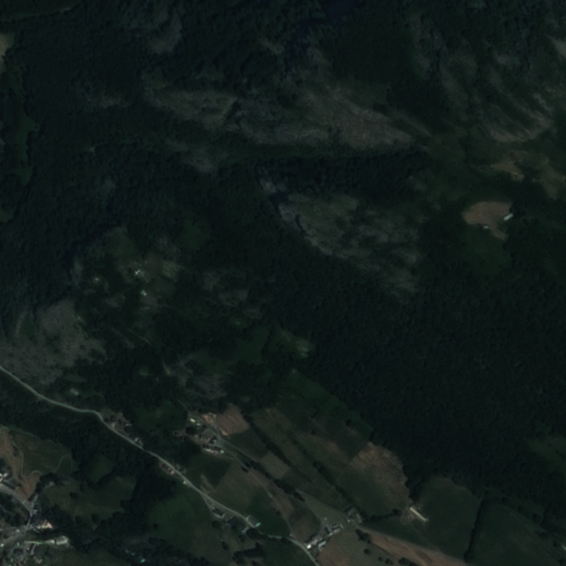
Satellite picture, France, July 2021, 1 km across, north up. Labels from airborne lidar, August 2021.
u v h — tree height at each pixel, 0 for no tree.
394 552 0
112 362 12
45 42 21
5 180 13
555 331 21
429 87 16
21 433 0
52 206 24
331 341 25
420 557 0
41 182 29
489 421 23
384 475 0
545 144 0
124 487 0
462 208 8
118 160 15
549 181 0
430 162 12
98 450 20
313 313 20
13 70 12
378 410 22
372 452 0
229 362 0
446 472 21
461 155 0
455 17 19
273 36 8
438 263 12
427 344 18
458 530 0
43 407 8
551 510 17
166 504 0
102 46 23
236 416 0
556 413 23
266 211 15
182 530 0
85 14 14
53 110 27
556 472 7
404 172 14
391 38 20
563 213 8
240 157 7
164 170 10
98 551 10
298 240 10
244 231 7
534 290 17
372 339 20
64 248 19
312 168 23
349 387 23
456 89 0
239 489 0
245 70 17
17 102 32
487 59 12
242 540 13
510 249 11
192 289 10
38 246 20
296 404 0
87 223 14
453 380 22
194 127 8
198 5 14
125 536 8
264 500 0
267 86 8
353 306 23
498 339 21
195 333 10
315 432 14
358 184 19
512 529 0
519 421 19
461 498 0
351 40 17
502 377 21
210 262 8
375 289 20
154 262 0
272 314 15
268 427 0
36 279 19
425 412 18
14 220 10
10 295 9
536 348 21
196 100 6
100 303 11
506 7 11
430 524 0
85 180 15
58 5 18
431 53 6
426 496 0
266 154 8
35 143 21
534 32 8
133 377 17
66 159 22
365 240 7
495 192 0
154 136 7
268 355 14
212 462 0
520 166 8
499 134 0
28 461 0
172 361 13
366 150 7
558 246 10
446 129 8
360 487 0
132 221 13
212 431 0
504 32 6
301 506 0
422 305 12
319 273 17
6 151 13
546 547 0
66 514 11
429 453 23
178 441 10
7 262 14
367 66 16
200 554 0
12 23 16
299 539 0
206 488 0
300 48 9
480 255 0
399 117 0
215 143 7
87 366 9
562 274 7
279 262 14
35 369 0
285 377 14
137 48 20
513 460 18
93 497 0
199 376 10
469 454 23
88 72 22
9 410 17
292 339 0
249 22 10
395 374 24
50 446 0
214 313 10
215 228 13
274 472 0
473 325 18
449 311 14
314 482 0
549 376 19
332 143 8
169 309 8
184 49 22
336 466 0
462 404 22
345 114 0
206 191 11
